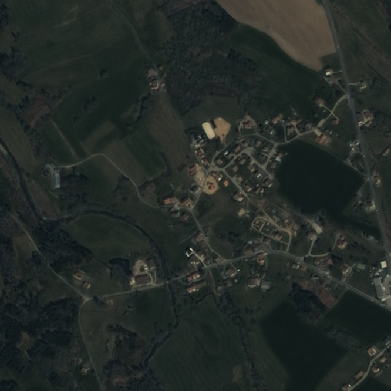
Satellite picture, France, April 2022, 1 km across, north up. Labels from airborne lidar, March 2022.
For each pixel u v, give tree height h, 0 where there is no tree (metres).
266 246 0
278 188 0
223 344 0
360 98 0
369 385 0
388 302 0
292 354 0
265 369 0
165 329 0
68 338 21
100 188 0
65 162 0
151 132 0
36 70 0
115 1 0
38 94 15
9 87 0
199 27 17
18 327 26
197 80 10
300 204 0
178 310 17
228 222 0
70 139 0
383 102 0
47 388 0
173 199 0
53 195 0
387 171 0
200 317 0
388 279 0
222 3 0
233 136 0
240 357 0
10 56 0
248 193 0
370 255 14
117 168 0
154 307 0
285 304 0
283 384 0
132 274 12
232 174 0
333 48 0
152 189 0
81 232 0
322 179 0
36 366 13
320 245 20
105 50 0
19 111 23
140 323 0
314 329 0
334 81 0
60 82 0
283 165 0
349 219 0
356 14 0
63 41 0
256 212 0
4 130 0
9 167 8
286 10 0
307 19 0
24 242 0
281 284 0
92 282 0
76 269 6
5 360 32
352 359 0
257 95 0
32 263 21
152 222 0
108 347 7
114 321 0
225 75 10
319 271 0
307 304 23
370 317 0
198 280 0
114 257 0
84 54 0
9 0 0
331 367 0
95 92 0
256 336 0
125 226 0
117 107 0
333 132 0
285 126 0
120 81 0
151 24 0
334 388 0
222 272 8
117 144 0
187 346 0
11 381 0
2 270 24
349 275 0
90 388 0
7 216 33
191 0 0
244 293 0
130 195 0
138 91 0
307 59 0
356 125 0
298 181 0
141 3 0
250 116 12
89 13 0
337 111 0
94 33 0
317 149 0
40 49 0
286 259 0
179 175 0
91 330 0
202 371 0
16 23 0
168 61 6
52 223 10
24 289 33
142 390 26
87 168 0
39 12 0
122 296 0
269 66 0
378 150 0
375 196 0
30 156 0
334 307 0
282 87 0
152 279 0
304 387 0
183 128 0
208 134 0
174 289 11
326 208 0
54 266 17
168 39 0
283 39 0
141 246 0
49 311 25
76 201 24
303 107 0
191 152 0
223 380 0
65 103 0
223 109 0
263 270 7
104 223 0
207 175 0
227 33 17
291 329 0
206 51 22
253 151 0
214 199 0
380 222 0
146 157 0
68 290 0
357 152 0
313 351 0
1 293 0
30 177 19
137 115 0
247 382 0
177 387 0
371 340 0
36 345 0
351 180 0
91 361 0
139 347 6
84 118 0
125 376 35
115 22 0
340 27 0
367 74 0
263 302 0
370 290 0
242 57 18
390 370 0
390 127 22
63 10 0
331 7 0
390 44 0
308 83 0
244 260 0
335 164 0
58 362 19
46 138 0
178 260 0
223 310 9
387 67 0
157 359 0
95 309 0
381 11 0
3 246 36
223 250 0
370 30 0
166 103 0
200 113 0
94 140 0
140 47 0
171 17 8
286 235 0
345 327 0
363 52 0
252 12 0
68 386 18
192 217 0
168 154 0
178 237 0
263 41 0
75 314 20
